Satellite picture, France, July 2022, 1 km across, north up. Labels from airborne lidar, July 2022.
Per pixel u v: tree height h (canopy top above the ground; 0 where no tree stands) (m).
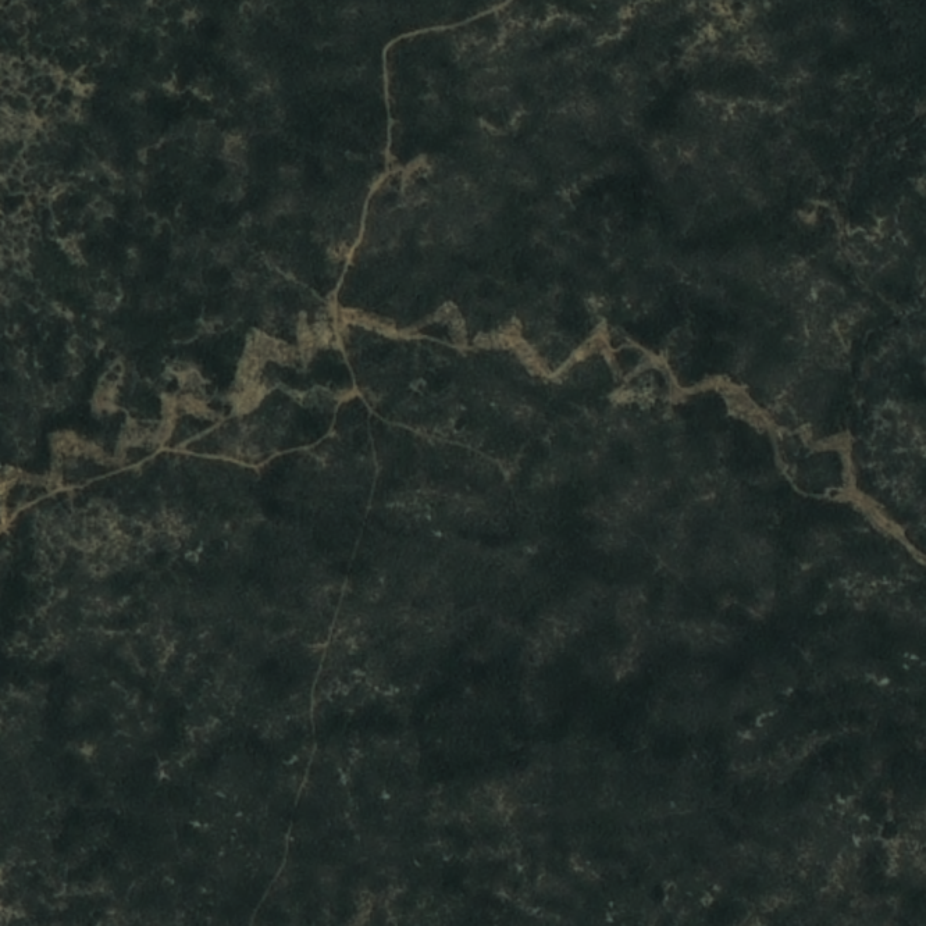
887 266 0
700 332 5
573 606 0
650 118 6
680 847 0
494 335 0
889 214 0
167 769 0
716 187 0
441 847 0
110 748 0
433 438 0
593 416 0
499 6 0
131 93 0
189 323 0
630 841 0
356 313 0
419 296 6
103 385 0
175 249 0
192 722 0
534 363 0
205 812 0
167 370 0
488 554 0
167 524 0
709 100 0
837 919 0
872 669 0
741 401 0
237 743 6
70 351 0
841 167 6
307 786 0
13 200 5
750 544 0
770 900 0
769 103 0
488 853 0
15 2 0
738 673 5
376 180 0
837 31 0
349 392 0
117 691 0
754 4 0
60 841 5
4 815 0
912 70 6
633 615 0
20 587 6
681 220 0
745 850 0
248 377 0
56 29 0
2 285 0
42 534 0
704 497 0
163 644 0
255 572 5
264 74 0
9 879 0
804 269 0
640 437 0
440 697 6
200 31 5
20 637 0
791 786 6
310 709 0
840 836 0
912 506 0
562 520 6
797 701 5
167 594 0
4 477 0
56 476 0
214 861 0
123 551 0
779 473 0
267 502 5
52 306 0
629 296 0
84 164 0
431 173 0
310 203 0
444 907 0
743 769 0
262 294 0
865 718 5
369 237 0
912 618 0
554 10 0
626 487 0
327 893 0
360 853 0
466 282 0
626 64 0
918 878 0
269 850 0
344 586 0
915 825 0
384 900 0
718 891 0
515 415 0
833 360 0
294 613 0
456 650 6
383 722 6
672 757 6
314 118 5
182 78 6
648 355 0
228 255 0
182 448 0
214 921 0
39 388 0
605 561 5
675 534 0
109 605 0
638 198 5
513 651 6
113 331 0
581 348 0
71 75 0
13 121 0
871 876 6
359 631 0
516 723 5
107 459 0
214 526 0
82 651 0
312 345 0
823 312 0
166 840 0
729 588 6
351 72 0
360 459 0
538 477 0
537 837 0
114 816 6
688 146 0
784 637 5
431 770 5
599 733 6
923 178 0
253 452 0
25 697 0
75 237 0
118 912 0
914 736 0
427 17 0
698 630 0
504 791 0
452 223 0
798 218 0
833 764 5
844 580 0
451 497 0
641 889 0
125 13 0
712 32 0
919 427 0
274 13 6
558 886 0
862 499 0
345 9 0
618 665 0
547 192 0
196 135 0
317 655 0
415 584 0
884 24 6
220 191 0
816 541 0
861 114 6
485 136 0
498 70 0
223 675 0
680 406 5
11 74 0
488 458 0
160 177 6
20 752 0
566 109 0
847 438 0
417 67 0
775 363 0
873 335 5
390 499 0
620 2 0
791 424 0
